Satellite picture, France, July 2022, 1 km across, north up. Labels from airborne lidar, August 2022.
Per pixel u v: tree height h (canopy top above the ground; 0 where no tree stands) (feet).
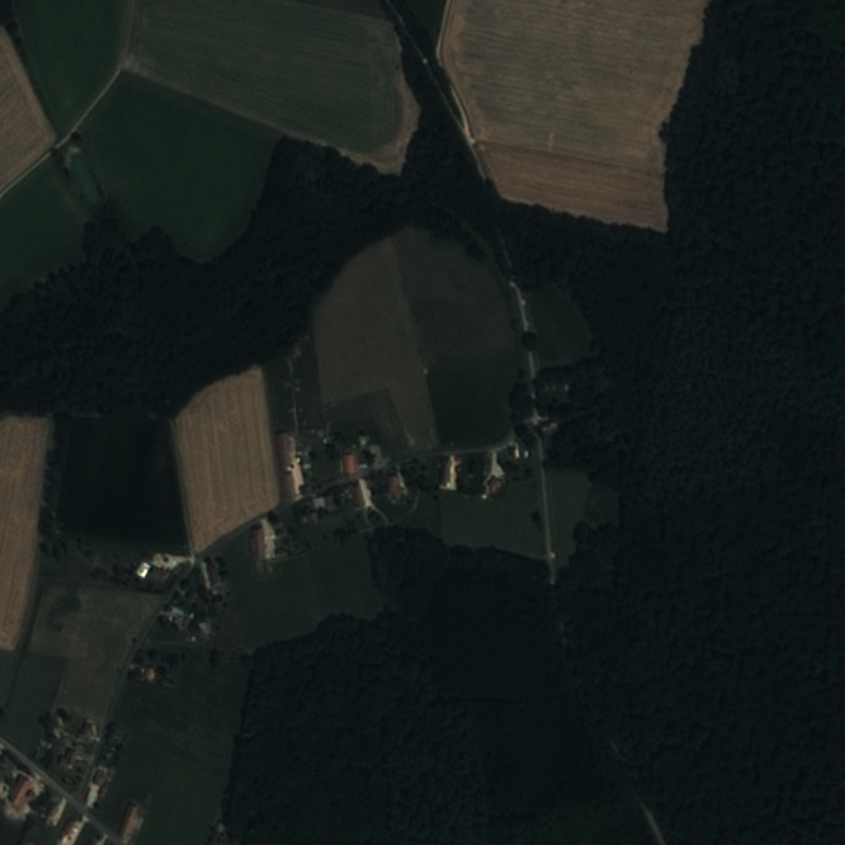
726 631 73
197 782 0
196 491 0
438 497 22
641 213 0
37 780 0
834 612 89
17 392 73
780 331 72
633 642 77
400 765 104
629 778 52
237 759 53
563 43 0
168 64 0
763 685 90
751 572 81
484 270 0
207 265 21
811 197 22
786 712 63
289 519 0
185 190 0
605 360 55
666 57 0
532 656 25
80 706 0
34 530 0
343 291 0
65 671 0
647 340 62
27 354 29
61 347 34
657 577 62
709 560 86
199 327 92
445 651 25
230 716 0
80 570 0
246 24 0
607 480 61
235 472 0
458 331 0
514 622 26
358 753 71
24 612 0
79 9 0
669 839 25
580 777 37
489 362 0
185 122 0
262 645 0
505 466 23
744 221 89
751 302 70
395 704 74
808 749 89
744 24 85
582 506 0
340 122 0
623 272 61
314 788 79
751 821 59
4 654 0
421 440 0
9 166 0
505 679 23
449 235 42
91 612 0
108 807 0
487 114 0
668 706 79
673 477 104
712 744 82
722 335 81
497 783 40
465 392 0
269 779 73
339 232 59
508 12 0
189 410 0
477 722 21
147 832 0
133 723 0
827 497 63
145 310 67
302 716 80
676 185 63
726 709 83
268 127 0
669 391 101
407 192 64
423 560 88
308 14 0
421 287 0
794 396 79
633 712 64
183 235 0
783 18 87
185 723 0
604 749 63
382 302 0
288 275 44
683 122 62
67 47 0
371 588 0
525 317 0
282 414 0
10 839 0
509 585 35
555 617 58
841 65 66
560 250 73
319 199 82
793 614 82
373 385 0
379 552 96
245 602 0
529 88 0
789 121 80
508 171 0
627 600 55
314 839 51
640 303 60
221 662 32
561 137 0
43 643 0
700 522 81
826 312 20
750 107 62
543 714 19
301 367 0
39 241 0
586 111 0
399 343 0
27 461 0
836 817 76
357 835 64
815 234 76
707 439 109
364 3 0
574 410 46
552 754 24
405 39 61
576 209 0
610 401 58
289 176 72
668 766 79
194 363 56
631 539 50
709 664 71
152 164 0
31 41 0
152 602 0
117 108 0
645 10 0
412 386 0
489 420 0
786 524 85
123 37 0
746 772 91
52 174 0
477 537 0
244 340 44
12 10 49
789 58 54
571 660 63
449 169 65
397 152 0
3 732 0
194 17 0
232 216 0
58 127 0
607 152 0
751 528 75
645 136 0
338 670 81
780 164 85
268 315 50
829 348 77
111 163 0
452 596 28
